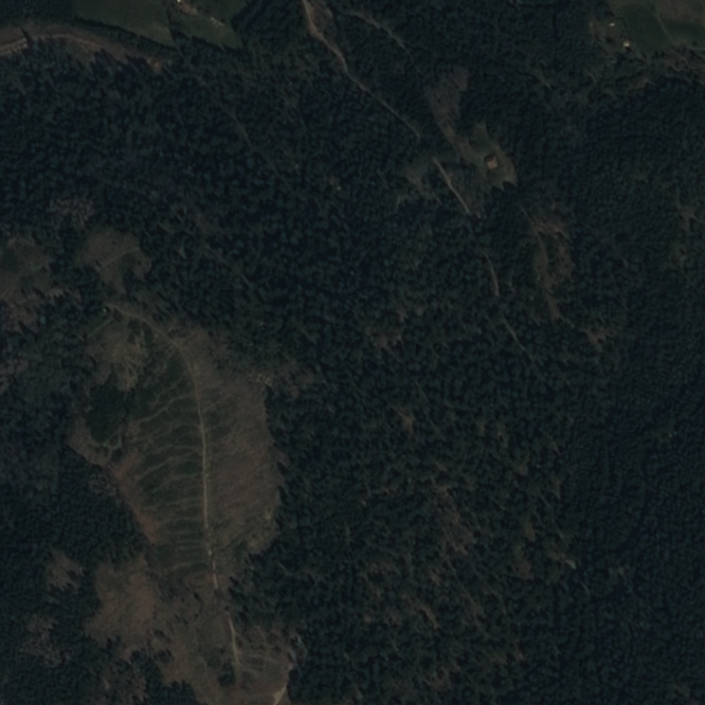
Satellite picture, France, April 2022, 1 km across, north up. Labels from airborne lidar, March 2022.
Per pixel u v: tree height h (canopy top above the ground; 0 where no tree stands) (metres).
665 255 15
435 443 42
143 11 0
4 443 15
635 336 21
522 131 20
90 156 21
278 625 20
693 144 15
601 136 21
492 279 16
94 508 20
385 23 16
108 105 16
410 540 30
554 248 7
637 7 0
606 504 20
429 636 34
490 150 0
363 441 27
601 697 10
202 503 0
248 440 0
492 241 36
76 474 20
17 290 0
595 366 12
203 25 0
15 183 15
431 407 11
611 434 27
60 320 24
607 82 13
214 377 0
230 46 0
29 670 23
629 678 34
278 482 0
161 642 22
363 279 18
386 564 34
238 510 0
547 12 15
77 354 16
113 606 0
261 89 18
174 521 0
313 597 34
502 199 21
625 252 18
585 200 13
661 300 14
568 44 28
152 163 18
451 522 28
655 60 13
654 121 18
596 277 8
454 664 30
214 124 20
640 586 19
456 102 28
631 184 16
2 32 11
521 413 40
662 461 22
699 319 15
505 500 35
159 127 29
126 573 0
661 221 13
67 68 18
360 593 32
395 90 22
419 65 14
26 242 25
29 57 10
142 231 21
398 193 25
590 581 32
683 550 24
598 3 25
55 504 13
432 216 17
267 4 9
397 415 9
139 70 24
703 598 25
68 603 14
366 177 21
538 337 41
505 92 18
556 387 44
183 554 0
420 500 13
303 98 19
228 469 0
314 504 9
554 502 27
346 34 19
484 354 8
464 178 30
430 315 18
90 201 29
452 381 31
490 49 32
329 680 28
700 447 21
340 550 11
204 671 0
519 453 36
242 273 15
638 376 11
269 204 12
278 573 12
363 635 32
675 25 0
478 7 22
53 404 7
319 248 12
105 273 20
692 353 13
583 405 21
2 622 23
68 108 10
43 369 13
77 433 0
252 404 0
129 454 20
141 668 17
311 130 25
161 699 21
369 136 21
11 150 22
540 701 32
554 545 31
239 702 0
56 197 33
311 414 7
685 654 26
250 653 0
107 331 0
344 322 26
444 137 29
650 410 11
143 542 19
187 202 12
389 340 13
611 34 0
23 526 10
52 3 15
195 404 0
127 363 0
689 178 17
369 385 33
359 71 13
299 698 19
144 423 0
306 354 10
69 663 20
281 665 0
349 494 11
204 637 0
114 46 10
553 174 22
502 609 46
